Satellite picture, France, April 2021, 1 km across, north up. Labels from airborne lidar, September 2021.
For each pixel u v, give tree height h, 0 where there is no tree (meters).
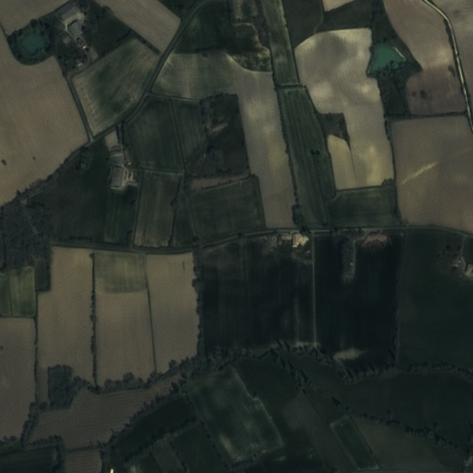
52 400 16
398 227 0
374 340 0
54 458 0
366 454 0
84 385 14
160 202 0
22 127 0
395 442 0
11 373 0
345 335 0
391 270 0
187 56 0
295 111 0
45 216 23
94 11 0
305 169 0
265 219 0
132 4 0
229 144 0
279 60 0
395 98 0
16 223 19
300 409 0
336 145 0
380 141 0
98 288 0
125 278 0
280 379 0
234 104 0
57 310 0
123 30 0
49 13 0
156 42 0
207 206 0
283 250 0
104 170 0
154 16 0
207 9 0
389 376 14
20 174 0
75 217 0
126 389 16
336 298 0
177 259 0
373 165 0
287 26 11
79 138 0
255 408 0
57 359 0
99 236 0
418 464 0
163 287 0
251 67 0
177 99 0
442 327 0
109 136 0
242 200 0
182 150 0
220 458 13
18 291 0
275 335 0
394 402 0
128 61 0
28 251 17
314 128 0
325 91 0
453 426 0
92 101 0
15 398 0
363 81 0
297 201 8
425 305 0
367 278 0
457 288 0
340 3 0
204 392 0
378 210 0
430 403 0
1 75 0
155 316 0
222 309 0
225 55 0
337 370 16
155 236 0
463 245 0
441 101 0
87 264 0
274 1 0
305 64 0
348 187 0
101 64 0
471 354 0
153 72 0
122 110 0
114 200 0
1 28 0
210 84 0
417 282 0
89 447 6
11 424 0
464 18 0
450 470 0
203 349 12
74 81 0
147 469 0
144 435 0
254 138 0
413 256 0
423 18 0
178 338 0
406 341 0
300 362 0
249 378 0
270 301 0
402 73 21
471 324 0
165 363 0
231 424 0
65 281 0
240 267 0
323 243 0
